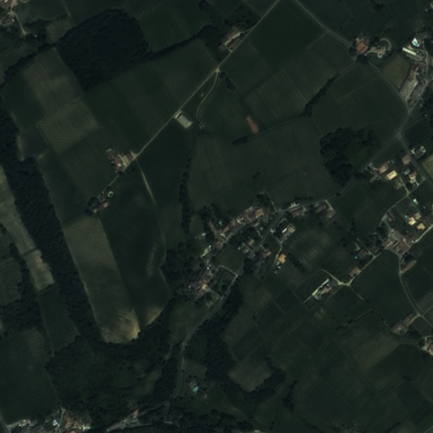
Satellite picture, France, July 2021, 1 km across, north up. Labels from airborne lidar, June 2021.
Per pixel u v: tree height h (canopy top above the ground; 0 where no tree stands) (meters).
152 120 0
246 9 0
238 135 0
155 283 0
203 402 0
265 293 0
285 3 0
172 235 0
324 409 0
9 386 0
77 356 9
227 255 0
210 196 0
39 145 0
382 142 0
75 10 0
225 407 0
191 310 0
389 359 0
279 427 0
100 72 14
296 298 0
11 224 0
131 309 0
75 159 0
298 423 0
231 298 14
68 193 0
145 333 7
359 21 0
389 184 0
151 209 0
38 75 0
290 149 0
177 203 0
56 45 11
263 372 0
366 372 0
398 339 0
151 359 6
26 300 10
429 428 0
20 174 30
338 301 0
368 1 0
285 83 0
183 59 0
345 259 0
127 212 0
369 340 0
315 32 0
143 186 0
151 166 0
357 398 0
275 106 0
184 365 0
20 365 0
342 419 0
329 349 0
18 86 0
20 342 0
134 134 0
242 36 8
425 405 0
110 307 0
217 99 0
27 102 0
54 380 7
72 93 0
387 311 0
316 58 0
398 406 0
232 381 10
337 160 20
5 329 0
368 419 0
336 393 0
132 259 0
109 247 0
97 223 0
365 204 0
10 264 0
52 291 0
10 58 0
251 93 0
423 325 0
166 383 19
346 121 0
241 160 0
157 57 15
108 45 25
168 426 15
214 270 10
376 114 0
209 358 14
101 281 0
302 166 0
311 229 0
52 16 0
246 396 11
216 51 0
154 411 12
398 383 0
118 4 0
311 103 9
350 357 0
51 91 0
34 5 0
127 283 0
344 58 0
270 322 0
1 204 0
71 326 0
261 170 0
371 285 0
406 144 0
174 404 18
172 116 0
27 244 0
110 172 0
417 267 0
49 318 0
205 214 9
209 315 0
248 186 0
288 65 0
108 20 22
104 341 7
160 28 0
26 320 9
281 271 0
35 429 0
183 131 0
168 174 0
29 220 15
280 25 0
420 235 0
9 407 0
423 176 0
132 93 0
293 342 0
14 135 10
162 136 0
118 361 17
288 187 0
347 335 0
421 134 0
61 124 0
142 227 0
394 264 0
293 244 0
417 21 0
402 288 0
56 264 23
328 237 0
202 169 0
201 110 0
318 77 0
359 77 0
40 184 20
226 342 5
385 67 0
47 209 18
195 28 0
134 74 0
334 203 0
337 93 0
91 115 0
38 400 0
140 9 0
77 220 0
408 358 0
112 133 0
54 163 0
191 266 9
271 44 0
